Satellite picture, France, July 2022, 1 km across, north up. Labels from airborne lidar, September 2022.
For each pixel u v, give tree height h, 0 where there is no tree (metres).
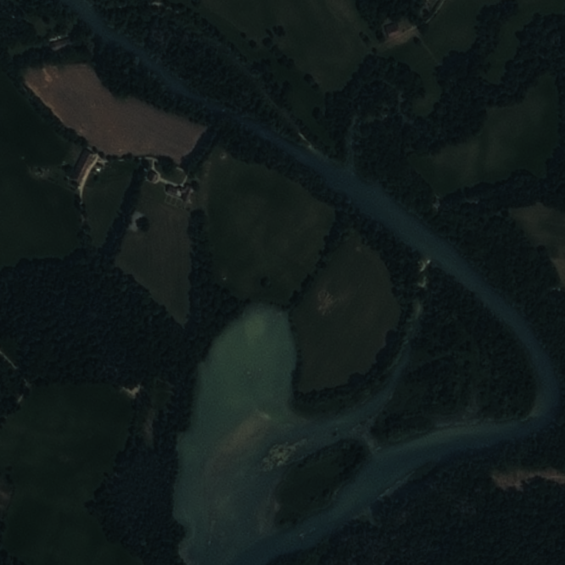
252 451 0
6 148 0
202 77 14
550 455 15
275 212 0
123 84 22
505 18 21
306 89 0
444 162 0
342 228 23
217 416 0
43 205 0
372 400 0
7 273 23
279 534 0
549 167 14
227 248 0
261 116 16
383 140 18
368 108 20
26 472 0
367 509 0
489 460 21
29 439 0
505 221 20
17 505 0
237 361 0
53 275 26
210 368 0
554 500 20
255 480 0
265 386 0
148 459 27
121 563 0
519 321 0
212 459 0
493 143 0
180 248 0
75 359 17
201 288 20
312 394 11
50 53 27
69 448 0
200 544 0
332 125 7
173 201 0
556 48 14
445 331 16
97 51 14
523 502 27
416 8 20
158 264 0
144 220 14
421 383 6
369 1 23
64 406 0
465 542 22
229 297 12
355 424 0
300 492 0
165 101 15
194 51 29
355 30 0
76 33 23
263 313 0
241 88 30
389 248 18
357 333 0
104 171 0
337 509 0
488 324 23
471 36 0
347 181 0
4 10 19
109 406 0
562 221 0
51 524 0
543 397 0
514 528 24
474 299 15
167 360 24
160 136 0
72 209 0
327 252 12
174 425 26
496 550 26
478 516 18
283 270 0
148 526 26
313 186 20
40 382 16
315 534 0
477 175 0
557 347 17
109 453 0
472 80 27
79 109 0
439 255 0
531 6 0
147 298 27
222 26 0
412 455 0
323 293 0
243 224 0
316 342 0
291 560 17
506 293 24
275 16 0
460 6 0
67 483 0
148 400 24
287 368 0
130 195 20
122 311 22
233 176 0
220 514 0
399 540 24
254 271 0
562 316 21
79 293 22
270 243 0
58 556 0
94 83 0
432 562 23
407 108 8
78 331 20
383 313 0
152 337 28
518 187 20
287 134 11
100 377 10
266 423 0
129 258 0
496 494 25
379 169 19
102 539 0
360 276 0
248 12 0
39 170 9
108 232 0
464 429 0
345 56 0
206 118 11
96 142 0
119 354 31
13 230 0
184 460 0
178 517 0
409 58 0
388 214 0
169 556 17
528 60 17
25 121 0
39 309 21
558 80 22
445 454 0
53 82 0
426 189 20
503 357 8
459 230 19
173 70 17
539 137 0
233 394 0
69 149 0
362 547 28
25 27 21
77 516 0
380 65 16
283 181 0
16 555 0
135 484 33
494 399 6
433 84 0
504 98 20
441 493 24
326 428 0
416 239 0
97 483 0
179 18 12
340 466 10
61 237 0
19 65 25
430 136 9
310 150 0
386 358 17
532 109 0
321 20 0
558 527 24
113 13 18
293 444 0
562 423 23
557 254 0
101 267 26
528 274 16
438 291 20
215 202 0
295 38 0
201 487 0
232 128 22
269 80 17
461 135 20
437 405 12
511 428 0
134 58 22
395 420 14
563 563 24
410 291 9
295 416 0
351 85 15
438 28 0
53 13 12
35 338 26
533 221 0
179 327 26
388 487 0
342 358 0
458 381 6
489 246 19
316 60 0
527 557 21
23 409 0
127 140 0
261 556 0
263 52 0
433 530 22
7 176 0
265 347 0
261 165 18
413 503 23
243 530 0
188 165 26
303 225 0
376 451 0
